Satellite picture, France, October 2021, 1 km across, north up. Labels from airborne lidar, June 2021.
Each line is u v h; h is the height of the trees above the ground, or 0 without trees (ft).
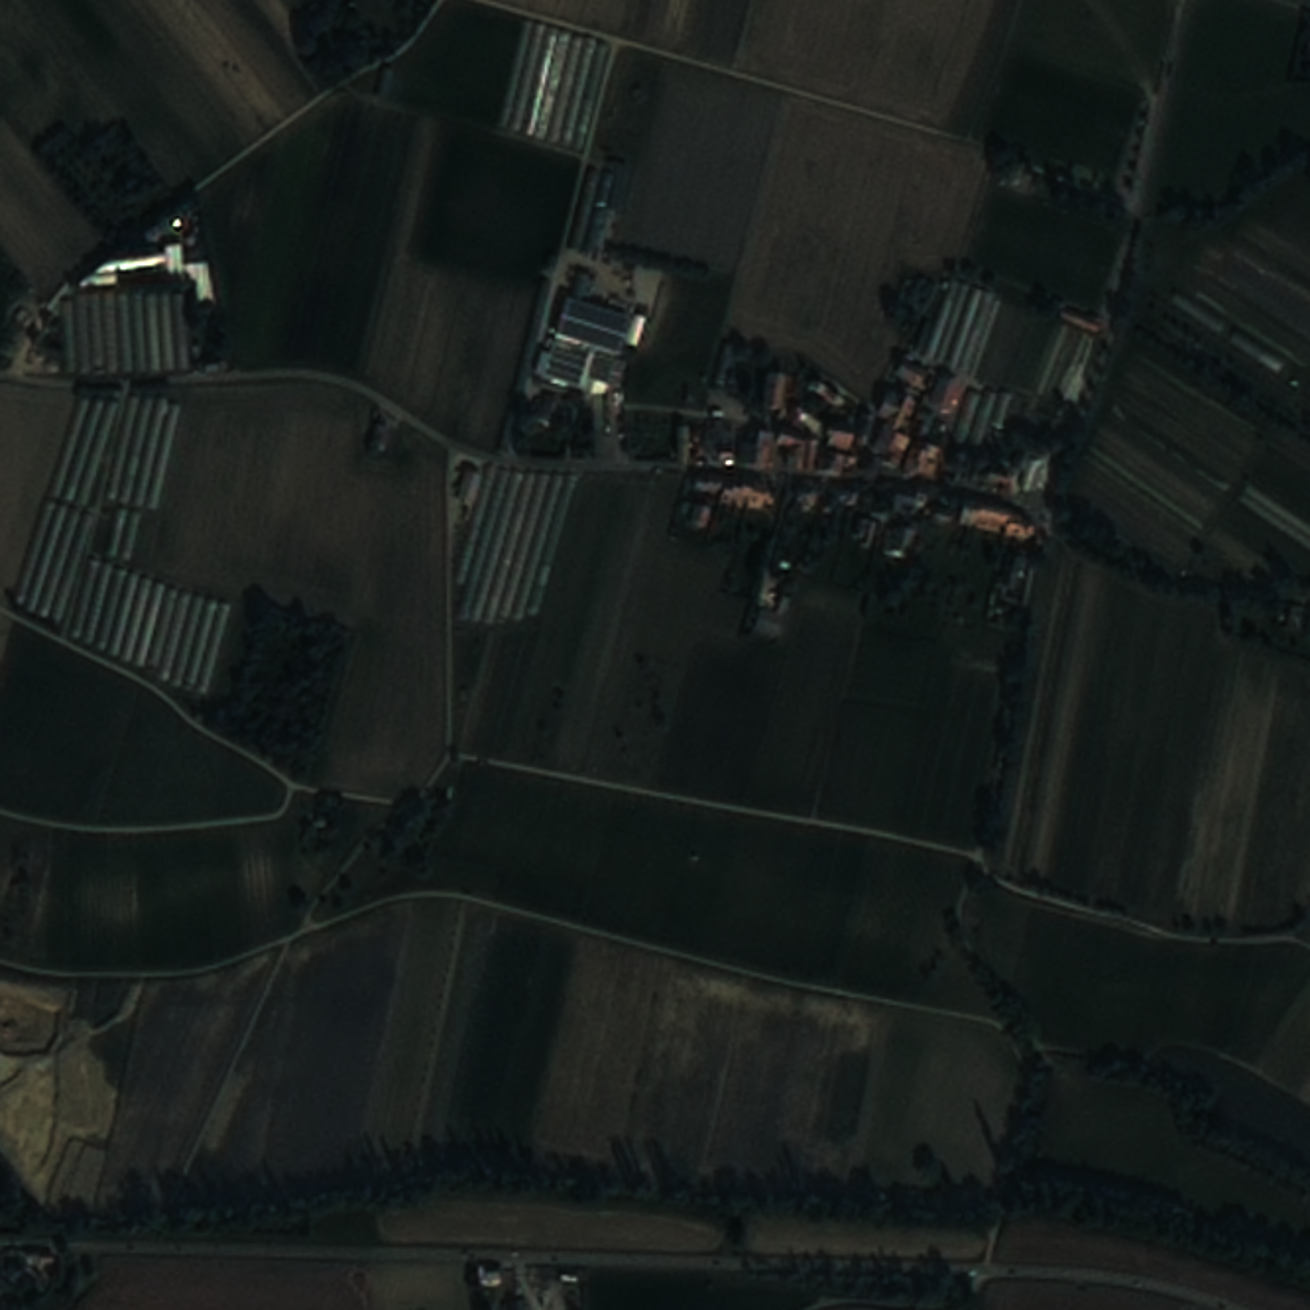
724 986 0
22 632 0
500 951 0
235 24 0
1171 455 0
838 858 0
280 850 0
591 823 0
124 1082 0
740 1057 0
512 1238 0
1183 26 0
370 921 0
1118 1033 0
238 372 0
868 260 0
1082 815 0
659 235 0
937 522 21
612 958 0
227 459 0
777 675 0
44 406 0
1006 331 0
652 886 0
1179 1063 0
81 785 0
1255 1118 0
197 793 0
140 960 0
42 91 0
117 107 0
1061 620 0
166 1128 0
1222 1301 0
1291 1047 0
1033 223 0
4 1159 0
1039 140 0
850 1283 30
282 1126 0
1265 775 0
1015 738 36
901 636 0
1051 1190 62
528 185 0
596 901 0
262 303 0
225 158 0
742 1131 0
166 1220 58
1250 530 0
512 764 0
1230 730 0
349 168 0
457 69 0
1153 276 0
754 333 0
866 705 0
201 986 0
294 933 0
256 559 0
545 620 0
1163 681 0
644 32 0
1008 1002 57
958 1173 0
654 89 0
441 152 0
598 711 0
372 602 0
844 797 0
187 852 0
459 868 0
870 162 0
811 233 0
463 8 0
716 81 0
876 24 0
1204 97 0
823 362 0
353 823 0
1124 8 0
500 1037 0
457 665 0
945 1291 61
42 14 0
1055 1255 0
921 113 0
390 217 0
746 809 0
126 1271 0
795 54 0
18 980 0
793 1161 0
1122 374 0
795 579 19
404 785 0
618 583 0
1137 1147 0
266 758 37
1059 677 0
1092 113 0
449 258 0
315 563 0
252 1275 0
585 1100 0
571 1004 0
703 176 0
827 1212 52
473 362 0
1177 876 0
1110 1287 0
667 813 0
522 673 0
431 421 0
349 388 0
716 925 0
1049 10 0
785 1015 0
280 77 0
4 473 0
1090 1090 0
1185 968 0
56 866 0
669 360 0
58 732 0
